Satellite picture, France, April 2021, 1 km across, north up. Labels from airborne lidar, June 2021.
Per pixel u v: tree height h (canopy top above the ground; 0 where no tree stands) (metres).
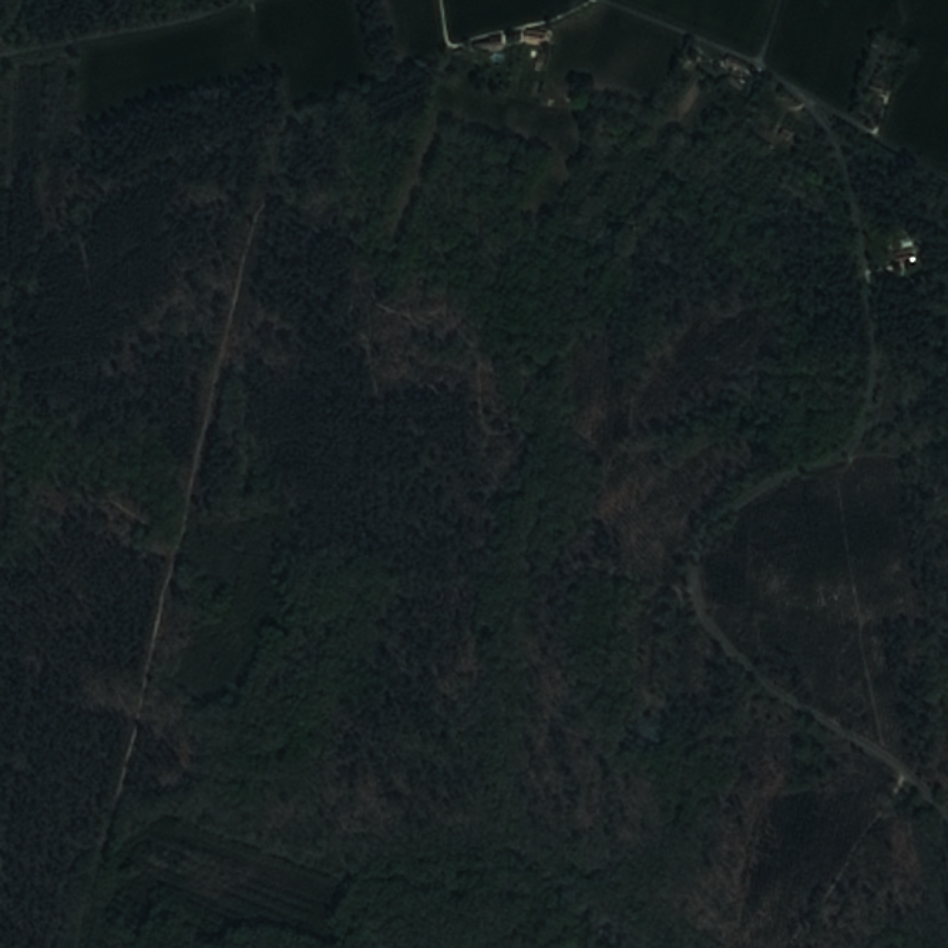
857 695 7
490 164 20
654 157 7
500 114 0
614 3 0
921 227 18
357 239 18
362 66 0
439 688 24
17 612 21
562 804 12
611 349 6
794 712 8
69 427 11
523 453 23
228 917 6
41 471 19
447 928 28
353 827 9
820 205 15
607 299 18
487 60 10
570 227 18
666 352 17
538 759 25
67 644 22
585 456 23
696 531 15
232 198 13
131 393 19
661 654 12
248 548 6
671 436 21
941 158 0
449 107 0
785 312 20
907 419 22
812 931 23
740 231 20
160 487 19
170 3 21
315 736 17
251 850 8
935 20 0
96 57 0
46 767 19
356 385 21
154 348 19
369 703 23
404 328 9
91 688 8
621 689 14
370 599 17
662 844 18
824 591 0
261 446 14
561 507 24
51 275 18
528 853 17
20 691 18
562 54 0
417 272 8
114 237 20
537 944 20
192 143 20
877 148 6
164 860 19
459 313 13
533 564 23
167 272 20
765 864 6
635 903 21
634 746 12
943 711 12
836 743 7
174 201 17
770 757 10
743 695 7
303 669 17
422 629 23
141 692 16
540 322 22
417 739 15
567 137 0
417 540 19
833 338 26
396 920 25
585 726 17
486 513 27
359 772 7
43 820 23
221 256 9
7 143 6
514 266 19
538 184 18
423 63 12
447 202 20
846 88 0
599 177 7
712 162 17
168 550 17
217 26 0
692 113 0
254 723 16
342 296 19
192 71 0
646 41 0
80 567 19
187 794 17
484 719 20
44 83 9
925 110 0
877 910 14
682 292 22
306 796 18
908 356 20
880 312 19
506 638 20
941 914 17
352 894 21
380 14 20
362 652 19
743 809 19
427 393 11
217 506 22
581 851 19
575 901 25
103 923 14
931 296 11
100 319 20
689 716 26
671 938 19
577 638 15
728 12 0
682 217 20
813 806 6
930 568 20
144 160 21
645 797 15
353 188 17
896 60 6
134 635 20
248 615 8
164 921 20
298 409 19
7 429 20
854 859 6
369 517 16
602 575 10
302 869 8
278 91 14
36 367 16
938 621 12
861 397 12
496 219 19
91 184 19
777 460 26
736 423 19
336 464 19
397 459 16
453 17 0
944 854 15
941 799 13
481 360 18
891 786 9
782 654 12
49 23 19
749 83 7
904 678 7
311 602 24
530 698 13
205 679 6
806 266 20
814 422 18
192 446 20
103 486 13
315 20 0
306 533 15
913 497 17
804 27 0
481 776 25
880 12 0
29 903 18
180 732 12
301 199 18
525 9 0
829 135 11
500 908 28
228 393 21
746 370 8
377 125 13
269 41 0
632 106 16
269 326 10
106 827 11
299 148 15
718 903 12
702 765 19
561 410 24
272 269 22
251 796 26
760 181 9
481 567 27
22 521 16
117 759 21
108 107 0
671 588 7
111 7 19
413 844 22
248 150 21
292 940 19
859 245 20
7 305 14
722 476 11
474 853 22
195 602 14
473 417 23
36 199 19
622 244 19
